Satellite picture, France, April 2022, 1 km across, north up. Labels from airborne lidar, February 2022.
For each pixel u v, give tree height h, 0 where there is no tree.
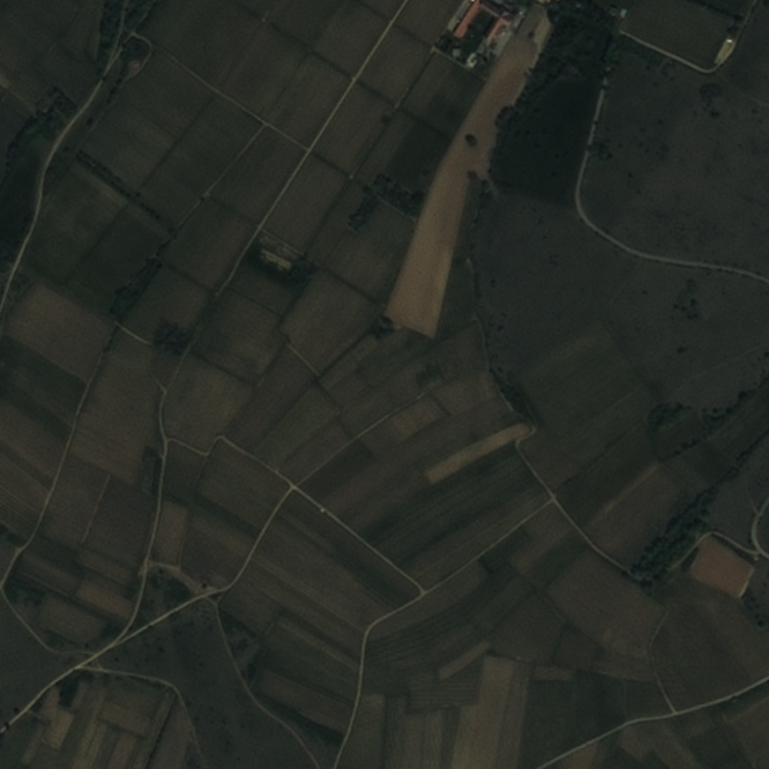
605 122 0
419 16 0
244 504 0
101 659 0
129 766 0
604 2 0
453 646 0
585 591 0
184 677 0
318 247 0
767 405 0
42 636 0
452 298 0
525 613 0
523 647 0
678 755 0
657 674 0
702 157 0
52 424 0
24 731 0
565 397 0
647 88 0
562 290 0
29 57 0
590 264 0
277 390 0
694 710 0
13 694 0
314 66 0
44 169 0
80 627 0
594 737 0
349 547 0
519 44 0
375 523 0
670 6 0
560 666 0
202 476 0
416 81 0
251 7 0
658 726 0
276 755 0
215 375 0
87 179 0
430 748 0
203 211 0
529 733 0
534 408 0
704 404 0
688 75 0
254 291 0
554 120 0
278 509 0
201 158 0
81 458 0
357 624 0
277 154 0
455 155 0
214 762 0
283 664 0
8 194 0
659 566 9
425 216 0
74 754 0
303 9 0
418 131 0
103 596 0
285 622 0
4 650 0
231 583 0
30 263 0
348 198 0
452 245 0
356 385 0
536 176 0
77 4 0
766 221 0
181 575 0
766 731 0
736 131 0
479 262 0
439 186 0
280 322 0
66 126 0
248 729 0
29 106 0
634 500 0
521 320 0
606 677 0
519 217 0
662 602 0
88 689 0
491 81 0
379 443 0
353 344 0
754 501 0
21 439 0
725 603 0
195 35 0
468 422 0
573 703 0
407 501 0
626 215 0
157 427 0
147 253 0
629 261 0
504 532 0
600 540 0
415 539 0
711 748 0
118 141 0
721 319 0
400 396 0
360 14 0
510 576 0
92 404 0
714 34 0
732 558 0
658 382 0
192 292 0
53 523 0
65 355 0
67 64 0
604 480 0
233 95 0
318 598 0
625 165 0
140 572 0
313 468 0
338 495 0
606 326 0
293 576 0
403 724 0
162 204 0
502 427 0
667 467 0
